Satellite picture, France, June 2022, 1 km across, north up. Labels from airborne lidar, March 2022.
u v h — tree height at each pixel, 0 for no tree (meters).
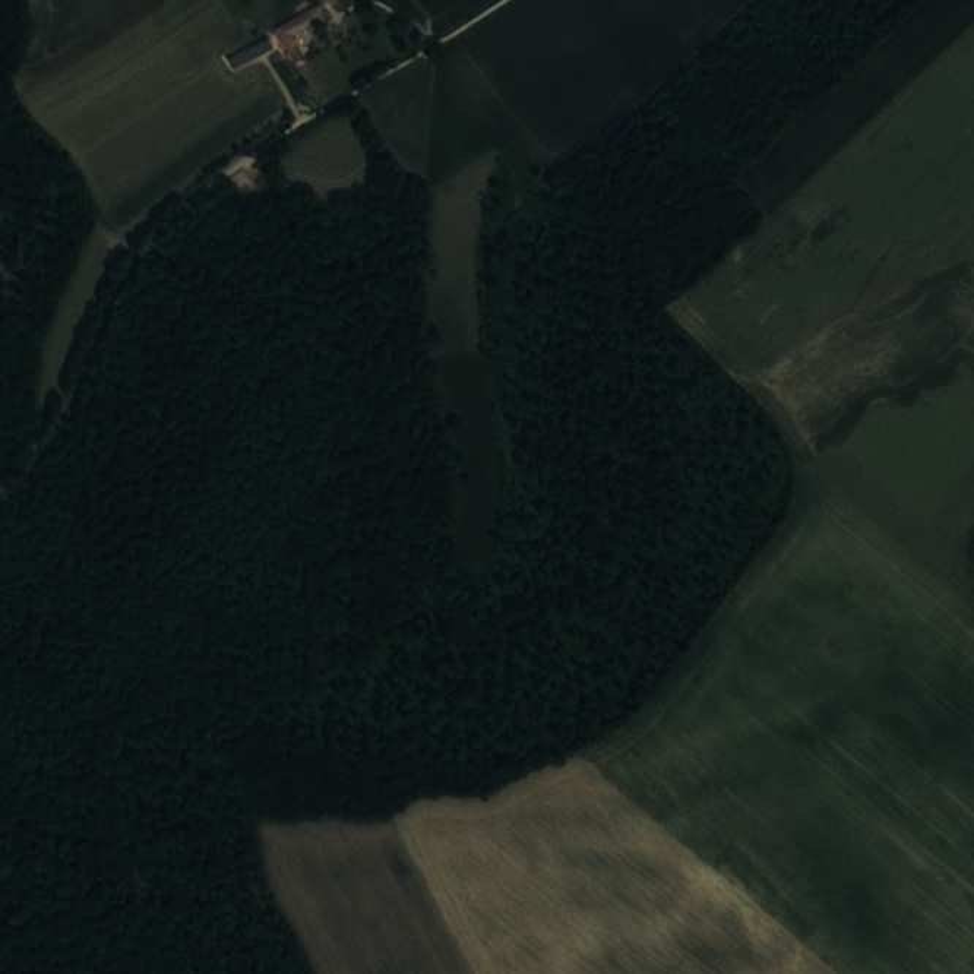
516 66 0
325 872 0
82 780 21
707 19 0
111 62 0
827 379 0
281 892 0
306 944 0
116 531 23
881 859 0
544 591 25
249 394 19
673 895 0
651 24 0
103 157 0
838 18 15
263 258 18
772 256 0
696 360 17
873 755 0
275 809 19
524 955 0
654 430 20
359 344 13
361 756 24
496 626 28
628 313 15
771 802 0
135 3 0
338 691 22
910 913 0
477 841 0
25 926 23
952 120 0
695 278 16
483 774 19
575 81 0
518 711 23
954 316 0
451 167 0
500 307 0
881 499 0
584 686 22
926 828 0
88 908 22
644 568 19
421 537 22
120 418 22
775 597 0
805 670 0
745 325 0
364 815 17
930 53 0
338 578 21
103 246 0
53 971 22
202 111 0
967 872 0
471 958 0
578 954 0
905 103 0
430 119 0
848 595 0
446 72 0
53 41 0
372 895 0
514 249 14
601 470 18
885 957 0
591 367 22
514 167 0
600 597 20
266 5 0
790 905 0
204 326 18
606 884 0
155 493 24
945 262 0
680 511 19
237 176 0
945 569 0
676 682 0
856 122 0
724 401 0
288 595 18
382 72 10
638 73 0
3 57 21
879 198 0
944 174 0
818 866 0
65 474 23
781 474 0
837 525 0
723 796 0
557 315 18
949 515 0
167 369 17
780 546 0
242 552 16
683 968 0
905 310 0
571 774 0
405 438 23
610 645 23
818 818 0
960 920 0
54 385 0
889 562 0
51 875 23
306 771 23
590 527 24
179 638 19
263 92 0
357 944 0
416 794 13
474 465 0
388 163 20
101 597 21
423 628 23
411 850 0
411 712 26
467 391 0
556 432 19
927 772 0
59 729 20
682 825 0
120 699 17
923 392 0
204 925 22
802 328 0
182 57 0
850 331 0
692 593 0
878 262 0
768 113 18
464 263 0
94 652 20
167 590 18
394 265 24
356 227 20
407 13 0
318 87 0
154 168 0
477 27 0
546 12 0
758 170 0
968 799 0
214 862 23
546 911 0
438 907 0
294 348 15
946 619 0
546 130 0
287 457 15
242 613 22
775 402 0
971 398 0
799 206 0
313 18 0
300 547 19
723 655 0
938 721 0
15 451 24
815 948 0
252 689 18
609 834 0
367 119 14
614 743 0
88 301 0
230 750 20
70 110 0
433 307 0
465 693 29
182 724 19
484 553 0
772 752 0
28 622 28
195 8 0
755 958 0
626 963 0
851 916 0
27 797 19
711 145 10
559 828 0
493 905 0
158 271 19
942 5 0
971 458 0
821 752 0
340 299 21
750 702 0
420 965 0
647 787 0
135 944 17
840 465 0
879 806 0
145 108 0
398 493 23
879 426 0
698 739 0
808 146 0
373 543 24
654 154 25
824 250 0
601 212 15
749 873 0
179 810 22
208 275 22
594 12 0
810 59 13
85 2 0
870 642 0
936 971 0
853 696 0
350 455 22
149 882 0
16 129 21
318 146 0
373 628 22
